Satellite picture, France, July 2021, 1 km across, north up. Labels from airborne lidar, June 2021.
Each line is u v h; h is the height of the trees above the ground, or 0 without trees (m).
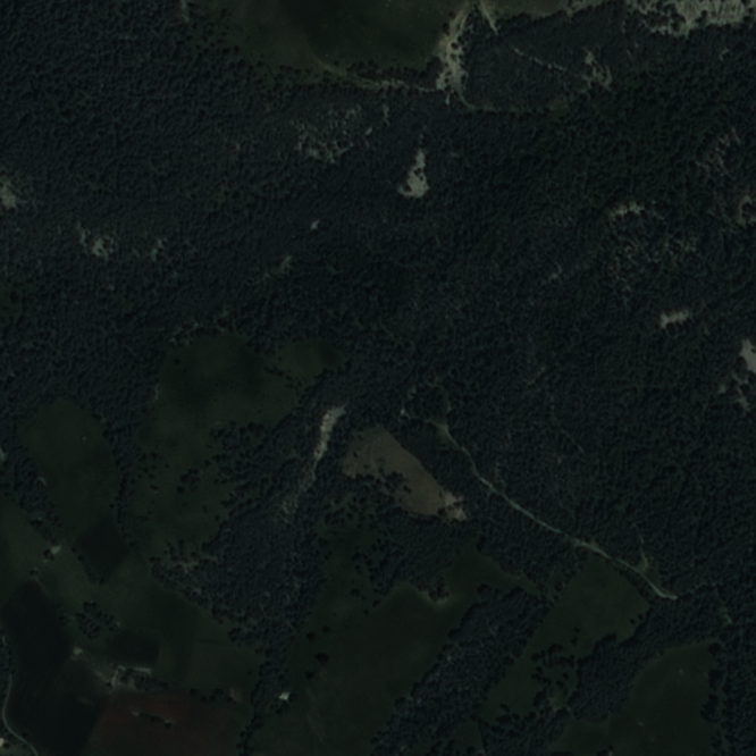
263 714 10
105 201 13
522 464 19
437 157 14
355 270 12
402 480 15
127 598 0
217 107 14
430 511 0
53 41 15
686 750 0
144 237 10
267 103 11
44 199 11
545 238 14
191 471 10
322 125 9
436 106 16
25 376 15
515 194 17
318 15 0
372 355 16
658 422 17
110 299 11
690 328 24
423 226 15
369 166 16
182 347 11
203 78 18
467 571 0
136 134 13
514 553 13
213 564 9
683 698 0
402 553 13
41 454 0
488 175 18
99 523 0
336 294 6
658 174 15
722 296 19
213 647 0
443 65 7
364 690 0
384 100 12
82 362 18
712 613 19
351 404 12
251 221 16
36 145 14
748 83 21
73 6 14
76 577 0
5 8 16
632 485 19
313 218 14
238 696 0
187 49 10
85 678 0
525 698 0
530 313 13
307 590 15
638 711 0
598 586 0
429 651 0
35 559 0
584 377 6
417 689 12
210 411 0
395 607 0
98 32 17
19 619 0
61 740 0
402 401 18
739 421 8
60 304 12
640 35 22
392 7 0
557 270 14
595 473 15
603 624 0
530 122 17
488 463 14
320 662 19
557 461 10
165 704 0
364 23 0
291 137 11
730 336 18
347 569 0
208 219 10
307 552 15
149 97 13
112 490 0
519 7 0
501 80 17
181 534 0
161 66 8
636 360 9
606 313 13
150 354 8
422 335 17
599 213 16
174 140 14
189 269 13
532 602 16
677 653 0
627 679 16
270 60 0
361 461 0
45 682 0
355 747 0
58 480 0
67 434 0
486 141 17
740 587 19
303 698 0
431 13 0
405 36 0
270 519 8
